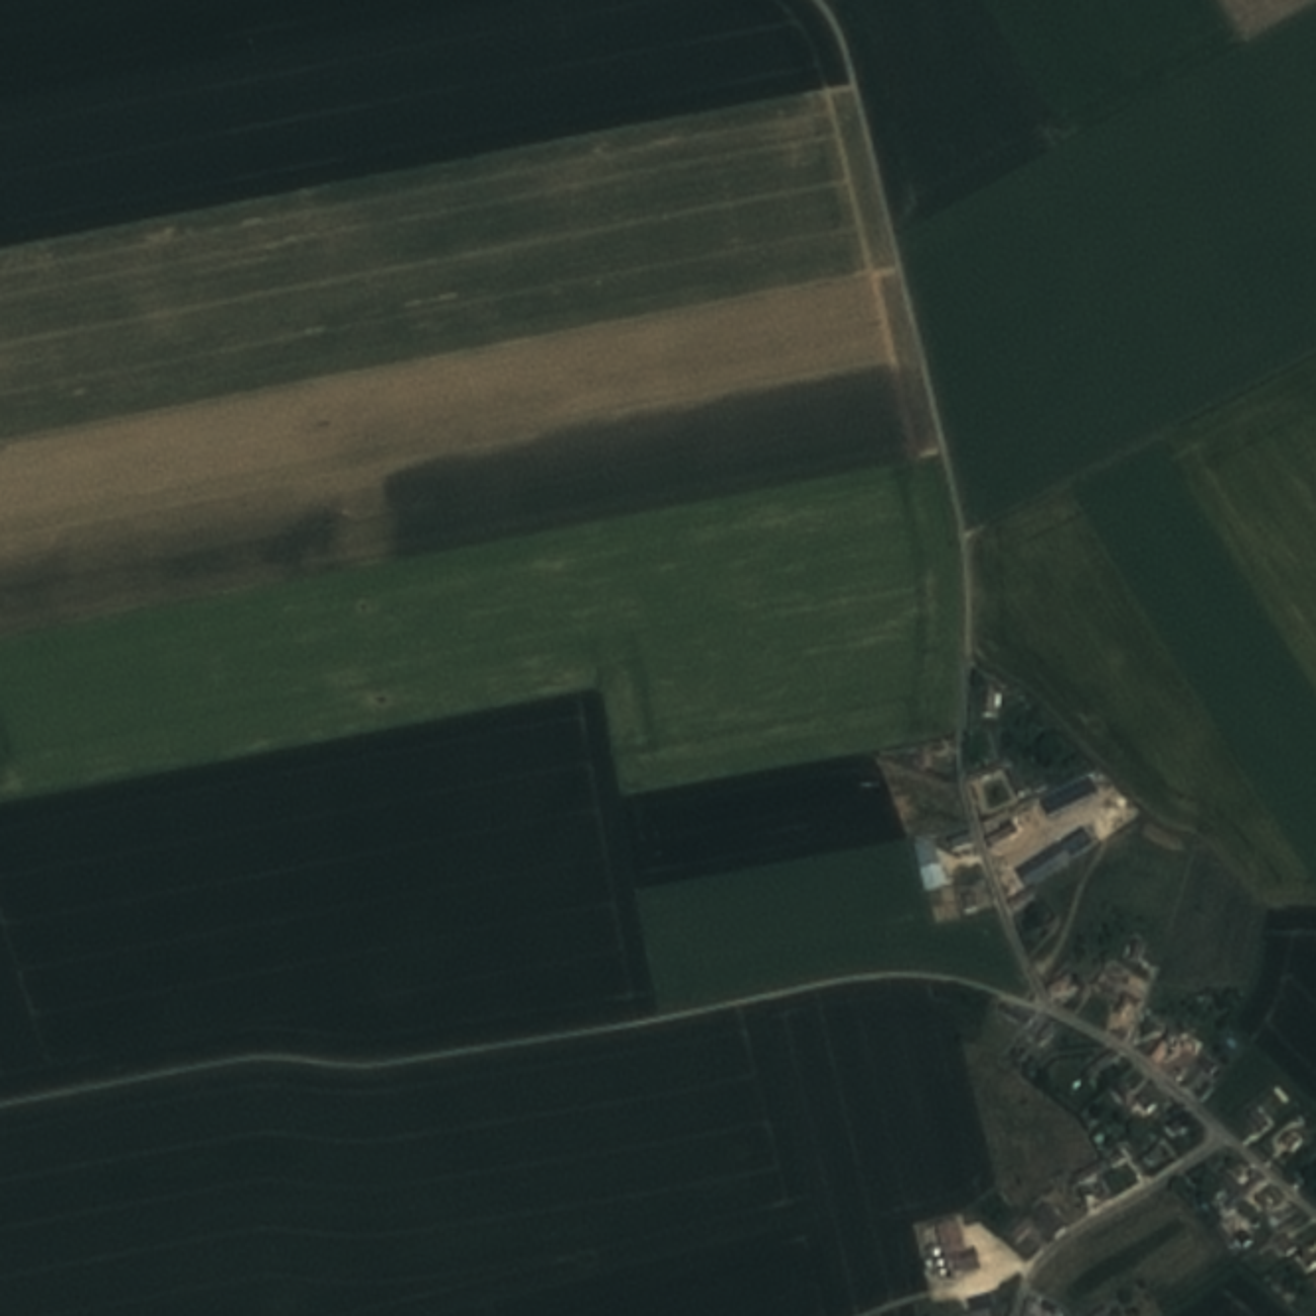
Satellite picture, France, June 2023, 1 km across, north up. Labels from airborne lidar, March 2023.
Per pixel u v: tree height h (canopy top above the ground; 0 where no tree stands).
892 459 0
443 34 0
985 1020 0
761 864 0
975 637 0
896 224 0
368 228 0
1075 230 0
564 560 0
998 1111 0
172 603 0
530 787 0
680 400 0
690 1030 0
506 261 0
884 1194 0
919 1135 0
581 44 0
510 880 0
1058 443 0
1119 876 0
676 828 0
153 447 0
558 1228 0
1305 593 0
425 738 0
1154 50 0
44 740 0
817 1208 0
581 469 0
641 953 0
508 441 0
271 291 0
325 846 0
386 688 0
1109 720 0
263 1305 0
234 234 0
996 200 0
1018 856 0
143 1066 0
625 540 0
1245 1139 0
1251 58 0
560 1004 0
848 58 0
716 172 0
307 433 0
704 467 0
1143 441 0
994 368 0
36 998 0
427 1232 0
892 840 0
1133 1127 14
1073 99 0
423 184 0
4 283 0
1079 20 0
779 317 0
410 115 0
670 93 0
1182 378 0
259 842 0
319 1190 0
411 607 0
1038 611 0
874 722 0
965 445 0
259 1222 0
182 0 0
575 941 0
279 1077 0
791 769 0
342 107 0
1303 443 0
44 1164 0
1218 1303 0
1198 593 0
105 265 0
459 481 0
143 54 0
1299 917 0
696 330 0
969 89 0
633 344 0
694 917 0
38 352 0
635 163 0
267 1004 0
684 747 0
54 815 0
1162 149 0
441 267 0
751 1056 0
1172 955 0
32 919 0
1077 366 0
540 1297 0
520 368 0
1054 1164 0
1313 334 0
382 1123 0
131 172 0
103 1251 0
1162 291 0
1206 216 0
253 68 0
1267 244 0
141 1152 0
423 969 0
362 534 0
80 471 0
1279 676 0
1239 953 0
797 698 0
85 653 0
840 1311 0
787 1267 0
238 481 0
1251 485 0
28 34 0
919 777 0
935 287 0
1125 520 0
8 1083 0
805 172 0
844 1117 0
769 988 0
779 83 0
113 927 0
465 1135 0
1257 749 0
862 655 0
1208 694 0
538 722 0
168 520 0
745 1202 0
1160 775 0
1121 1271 0
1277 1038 0
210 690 0
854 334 0
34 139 0
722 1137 0
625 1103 0
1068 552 0
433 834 0
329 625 0
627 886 0
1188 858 0
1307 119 0
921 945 0
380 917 0
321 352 0
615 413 0
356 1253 0
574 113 0
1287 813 0
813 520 0
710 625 0
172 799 0
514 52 0
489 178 0
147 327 0
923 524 0
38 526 0
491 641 0
